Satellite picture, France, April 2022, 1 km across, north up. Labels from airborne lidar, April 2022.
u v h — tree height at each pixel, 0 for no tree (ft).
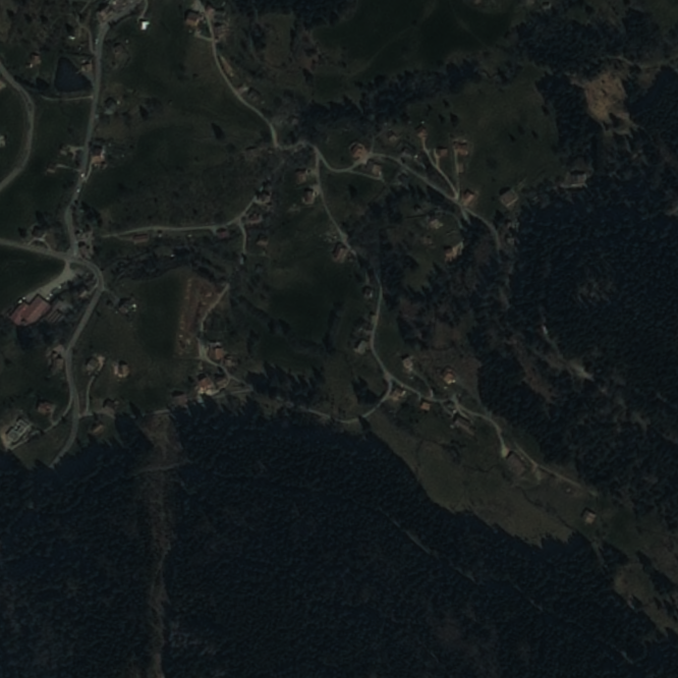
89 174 0
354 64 0
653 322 61
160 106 52
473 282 0
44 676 116
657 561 27
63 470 0
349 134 0
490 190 0
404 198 53
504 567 96
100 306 0
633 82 27
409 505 94
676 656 81
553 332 53
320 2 73
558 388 87
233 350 0
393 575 75
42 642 93
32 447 0
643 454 127
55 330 44
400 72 0
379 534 97
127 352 0
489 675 51
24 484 99
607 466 44
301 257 0
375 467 89
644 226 92
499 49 36
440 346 0
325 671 84
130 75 0
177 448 0
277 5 80
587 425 36
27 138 0
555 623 76
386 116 88
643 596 0
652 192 74
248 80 0
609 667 100
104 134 0
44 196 0
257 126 0
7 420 0
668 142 23
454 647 63
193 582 58
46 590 73
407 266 44
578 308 68
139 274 23
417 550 75
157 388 0
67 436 0
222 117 0
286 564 90
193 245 33
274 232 34
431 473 0
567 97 98
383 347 0
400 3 0
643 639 60
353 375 0
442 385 0
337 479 102
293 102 68
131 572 43
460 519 45
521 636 77
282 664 58
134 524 75
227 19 0
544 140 0
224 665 120
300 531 80
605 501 0
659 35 52
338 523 88
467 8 0
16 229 0
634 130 0
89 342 0
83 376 0
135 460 88
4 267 0
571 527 0
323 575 36
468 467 0
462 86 98
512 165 0
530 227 77
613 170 36
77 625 108
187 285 0
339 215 0
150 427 29
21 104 0
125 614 46
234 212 0
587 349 95
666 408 68
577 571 114
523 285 71
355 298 0
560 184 19
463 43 0
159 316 0
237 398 22
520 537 0
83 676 37
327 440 104
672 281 92
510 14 0
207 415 94
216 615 43
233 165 22
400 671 67
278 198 49
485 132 0
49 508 95
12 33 20
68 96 0
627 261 78
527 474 0
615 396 51
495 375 102
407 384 0
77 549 35
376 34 0
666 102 78
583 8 52
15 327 42
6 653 49
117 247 0
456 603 67
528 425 101
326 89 0
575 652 79
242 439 92
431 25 0
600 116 0
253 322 0
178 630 90
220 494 103
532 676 43
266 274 0
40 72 0
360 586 73
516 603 92
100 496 107
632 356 57
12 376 0
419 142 0
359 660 65
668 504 108
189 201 32
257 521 74
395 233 0
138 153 0
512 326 56
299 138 51
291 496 95
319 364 0
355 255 0
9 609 83
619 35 70
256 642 79
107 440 0
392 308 62
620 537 0
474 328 0
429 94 65
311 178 0
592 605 85
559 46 51
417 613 77
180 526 18
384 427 0
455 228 0
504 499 0
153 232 0
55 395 0
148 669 36
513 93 0
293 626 61
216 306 0
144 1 0
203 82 0
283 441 102
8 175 0
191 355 0
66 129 0
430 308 43
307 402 81
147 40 0
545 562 95
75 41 0
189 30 0
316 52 34
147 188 31
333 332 53
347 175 0
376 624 82
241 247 0
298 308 0
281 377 67
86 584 99
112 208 0
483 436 0
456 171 0
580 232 95
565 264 71
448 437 0
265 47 26
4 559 39
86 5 0
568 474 0
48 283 0
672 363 55
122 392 0
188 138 0
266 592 80
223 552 56
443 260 0
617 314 85
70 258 0
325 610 85
